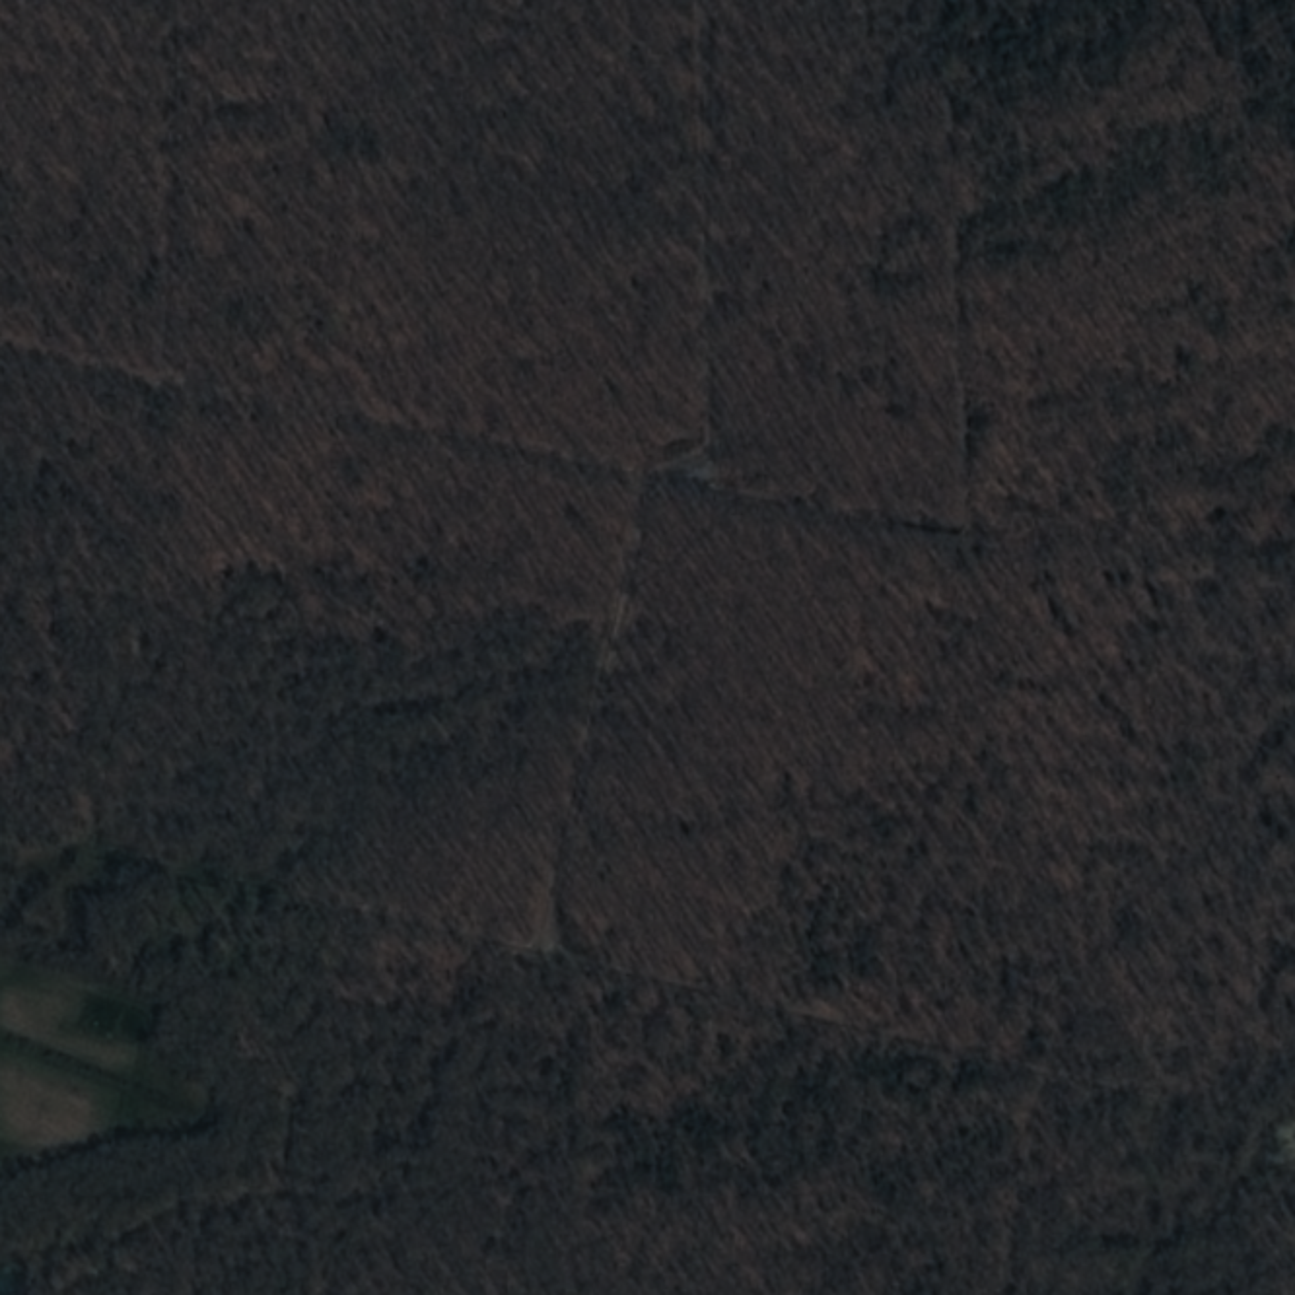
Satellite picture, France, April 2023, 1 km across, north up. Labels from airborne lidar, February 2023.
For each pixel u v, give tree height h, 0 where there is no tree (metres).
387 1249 14
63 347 23
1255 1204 21
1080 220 24
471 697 18
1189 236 26
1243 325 17
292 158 27
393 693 24
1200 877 26
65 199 22
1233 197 19
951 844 24
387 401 24
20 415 25
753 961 25
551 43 23
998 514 20
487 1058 12
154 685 17
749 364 24
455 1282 25
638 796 27
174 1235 20
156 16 19
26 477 18
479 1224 17
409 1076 23
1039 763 25
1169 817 25
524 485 25
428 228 26
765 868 24
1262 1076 20
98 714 20
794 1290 24
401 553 26
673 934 25
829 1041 21
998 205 21
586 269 23
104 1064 0
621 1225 25
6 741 21
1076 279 22
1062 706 29
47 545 19
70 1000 0
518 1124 12
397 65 23
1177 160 21
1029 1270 19
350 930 22
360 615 19
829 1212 18
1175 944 25
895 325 27
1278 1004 22
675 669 25
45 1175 13
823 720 26
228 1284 21
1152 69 23
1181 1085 21
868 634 18
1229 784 18
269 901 14
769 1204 23
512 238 26
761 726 24
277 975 22
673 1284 24
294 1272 22
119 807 23
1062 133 23
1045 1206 19
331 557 0
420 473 25
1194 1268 18
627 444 21
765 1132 19
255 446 23
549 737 25
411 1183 24
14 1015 0
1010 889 22
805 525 25
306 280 23
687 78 21
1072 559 23
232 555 23
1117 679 25
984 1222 25
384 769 17
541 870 24
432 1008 19
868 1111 21
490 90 23
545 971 19
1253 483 23
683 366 26
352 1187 20
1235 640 28
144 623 22
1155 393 18
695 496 20
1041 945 22
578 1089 19
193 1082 16
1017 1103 21
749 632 26
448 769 22
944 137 22
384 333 25
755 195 25
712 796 20
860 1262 20
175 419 23
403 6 24
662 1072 26
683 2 22
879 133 23
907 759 26
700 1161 18
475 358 23
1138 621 28
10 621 18
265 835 20
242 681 20
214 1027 15
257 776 20
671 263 26
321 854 20
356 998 24
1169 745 22
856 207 28
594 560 21
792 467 24
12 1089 0
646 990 22
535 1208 21
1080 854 24
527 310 22
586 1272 23
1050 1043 20
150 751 23
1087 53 7
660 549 24
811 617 24
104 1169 20
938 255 25
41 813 21
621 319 22
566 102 23
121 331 20
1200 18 22
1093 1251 24
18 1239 24
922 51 22
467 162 26
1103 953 27
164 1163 22
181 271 25
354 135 25
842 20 20
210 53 25
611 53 27
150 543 25
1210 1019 24
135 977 17
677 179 28
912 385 25
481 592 22
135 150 20
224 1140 20
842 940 18
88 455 19
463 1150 17
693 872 26
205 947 9
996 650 26
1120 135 20
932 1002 26
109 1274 13
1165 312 15
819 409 25
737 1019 23
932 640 23
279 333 25
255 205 28
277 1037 24
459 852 25
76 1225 16
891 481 23
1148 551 21
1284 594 24
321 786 22
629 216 27
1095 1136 24
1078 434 19
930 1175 17
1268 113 13
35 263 27
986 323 21
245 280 25
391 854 25
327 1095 19
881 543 25
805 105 26
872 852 22
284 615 11
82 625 21
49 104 24
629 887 26
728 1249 25
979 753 22
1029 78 24
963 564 22
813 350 22
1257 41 20
